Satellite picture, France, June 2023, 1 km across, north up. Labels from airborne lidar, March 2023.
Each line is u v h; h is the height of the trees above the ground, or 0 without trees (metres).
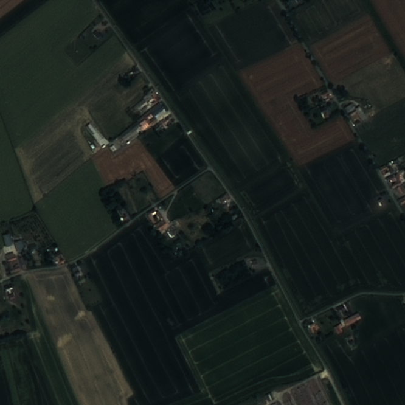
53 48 0
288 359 0
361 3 0
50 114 0
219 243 0
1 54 0
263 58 0
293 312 0
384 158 0
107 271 0
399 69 0
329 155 0
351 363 0
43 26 0
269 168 0
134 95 0
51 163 0
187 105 0
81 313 0
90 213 0
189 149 0
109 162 0
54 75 0
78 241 0
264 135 0
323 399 0
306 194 0
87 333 0
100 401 0
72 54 0
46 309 0
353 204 0
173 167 0
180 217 0
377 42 0
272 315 0
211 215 14
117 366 0
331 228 0
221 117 0
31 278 0
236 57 0
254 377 0
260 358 0
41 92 0
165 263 0
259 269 0
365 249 0
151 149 0
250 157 0
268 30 0
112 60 0
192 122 0
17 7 0
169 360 0
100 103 0
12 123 0
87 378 0
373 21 0
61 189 0
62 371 0
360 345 0
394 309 0
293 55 0
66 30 0
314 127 8
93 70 0
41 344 0
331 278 0
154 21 0
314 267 0
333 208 0
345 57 0
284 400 0
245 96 0
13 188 0
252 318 0
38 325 0
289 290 0
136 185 0
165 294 0
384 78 0
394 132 0
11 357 0
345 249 0
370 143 0
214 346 0
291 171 0
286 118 0
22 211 0
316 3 0
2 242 0
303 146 0
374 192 0
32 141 0
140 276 0
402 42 0
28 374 0
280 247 0
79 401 0
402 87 0
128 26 0
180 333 0
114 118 0
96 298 0
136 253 0
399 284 0
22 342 0
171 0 0
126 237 0
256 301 0
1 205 0
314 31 0
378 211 0
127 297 0
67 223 0
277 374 0
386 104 0
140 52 0
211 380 0
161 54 0
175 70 0
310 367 0
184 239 0
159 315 0
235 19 0
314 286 0
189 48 0
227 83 0
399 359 0
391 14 0
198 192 0
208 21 0
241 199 0
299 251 0
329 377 0
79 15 0
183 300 0
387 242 0
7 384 0
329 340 0
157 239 7
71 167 0
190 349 0
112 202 14
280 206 0
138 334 0
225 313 0
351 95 0
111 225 0
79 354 0
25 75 0
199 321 0
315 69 0
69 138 0
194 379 0
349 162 0
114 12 0
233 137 0
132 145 0
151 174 0
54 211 0
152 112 0
